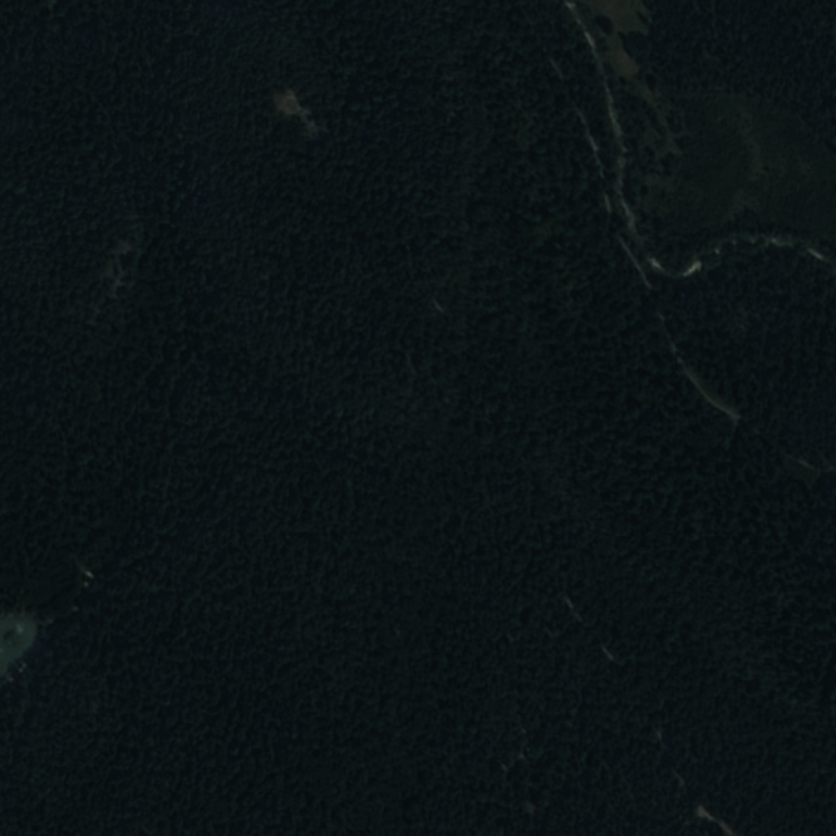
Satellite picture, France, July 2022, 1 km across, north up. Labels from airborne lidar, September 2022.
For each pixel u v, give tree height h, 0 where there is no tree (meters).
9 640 5
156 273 28
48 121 24
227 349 17
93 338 23
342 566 23
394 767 28
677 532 27
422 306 17
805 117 26
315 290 20
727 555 30
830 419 19
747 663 13
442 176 19
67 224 28
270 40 15
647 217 21
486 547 29
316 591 17
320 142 14
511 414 26
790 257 25
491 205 30
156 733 29
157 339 23
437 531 28
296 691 23
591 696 20
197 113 14
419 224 24
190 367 23
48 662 27
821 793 21
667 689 20
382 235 29
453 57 24
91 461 25
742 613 29
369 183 22
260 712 27
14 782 22
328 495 20
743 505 8
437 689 29
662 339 19
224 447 22
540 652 20
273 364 29
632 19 0
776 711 25
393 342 21
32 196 10
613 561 20
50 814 22
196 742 20
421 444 14
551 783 22
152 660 30
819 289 26
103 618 26
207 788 21
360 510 20
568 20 12
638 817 23
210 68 14
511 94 27
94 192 26
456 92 22
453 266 13
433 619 27
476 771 29
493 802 16
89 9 9
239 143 15
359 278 16
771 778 28
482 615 30
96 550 10
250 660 22
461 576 28
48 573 15
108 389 24
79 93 27
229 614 15
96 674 18
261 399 26
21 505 21
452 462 26
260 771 27
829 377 19
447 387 18
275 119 11
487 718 21
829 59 10
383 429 11
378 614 27
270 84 12
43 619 13
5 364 19
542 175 30
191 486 24
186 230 29
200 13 22
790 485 19
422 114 26
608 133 23
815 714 22
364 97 42
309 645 9
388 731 25
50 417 18
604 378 35
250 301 19
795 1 17
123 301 36
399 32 24
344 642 13
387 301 24
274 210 17
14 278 19
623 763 26
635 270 31
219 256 19
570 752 30
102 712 23
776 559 32
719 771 29
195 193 27
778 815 23
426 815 23
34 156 20
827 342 20
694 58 17
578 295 28
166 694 28
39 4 11
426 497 28
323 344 20
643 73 8
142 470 15
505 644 25
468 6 22
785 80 12
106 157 16
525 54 25
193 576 9
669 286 22
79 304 19
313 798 28
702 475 32
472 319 30
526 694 33
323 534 15
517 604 25
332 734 7
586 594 23
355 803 16
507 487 28
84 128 28
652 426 10
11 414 18
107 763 15
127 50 25
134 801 15
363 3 22
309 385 22
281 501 23
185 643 24
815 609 14
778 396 27
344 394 18
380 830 27
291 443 21
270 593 20
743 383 28
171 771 20
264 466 22
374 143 26
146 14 25
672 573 18
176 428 18
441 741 26
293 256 20
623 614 24
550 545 21
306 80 13
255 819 20
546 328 30
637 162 8
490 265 33
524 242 37
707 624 31
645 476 36
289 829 27
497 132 21
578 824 32
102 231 23
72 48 24
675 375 20
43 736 11
